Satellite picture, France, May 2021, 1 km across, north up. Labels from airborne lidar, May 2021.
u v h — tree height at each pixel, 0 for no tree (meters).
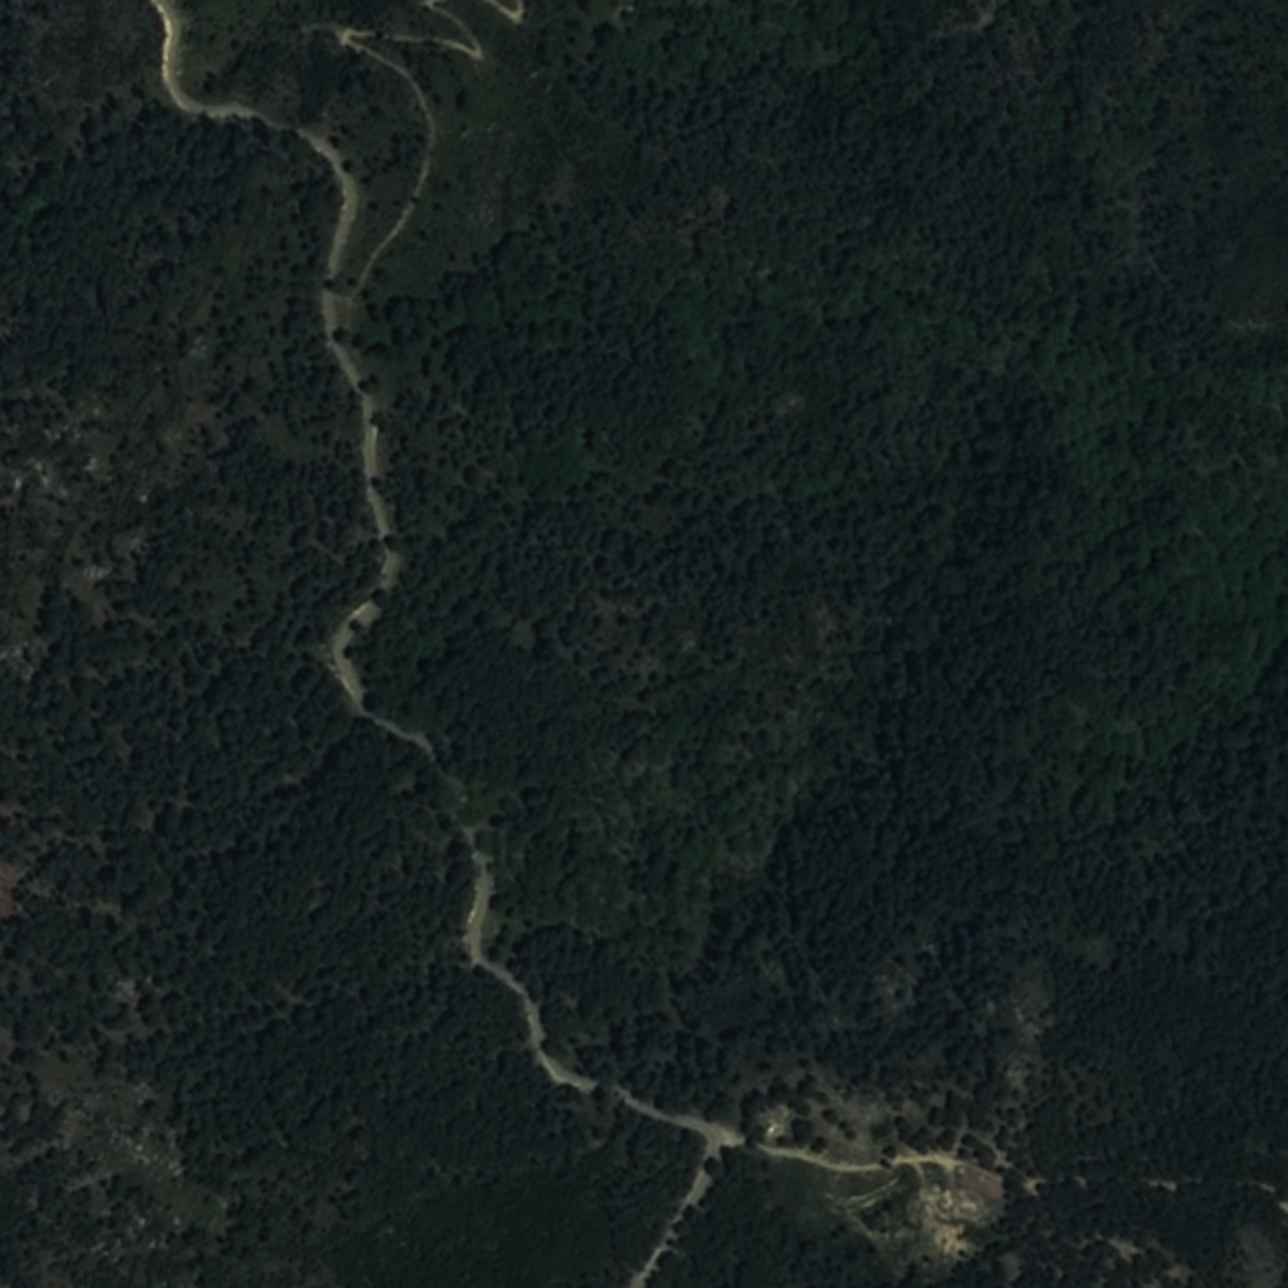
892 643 22
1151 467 15
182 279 29
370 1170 25
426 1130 23
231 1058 30
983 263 20
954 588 22
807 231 26
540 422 27
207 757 22
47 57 7
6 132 34
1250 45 8
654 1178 17
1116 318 18
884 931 18
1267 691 16
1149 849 26
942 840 24
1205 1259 10
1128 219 20
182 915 34
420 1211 24
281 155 29
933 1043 17
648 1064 22
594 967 25
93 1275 7
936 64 23
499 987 20
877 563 8
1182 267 20
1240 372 12
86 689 30
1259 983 17
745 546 23
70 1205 23
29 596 0
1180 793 16
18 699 31
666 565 19
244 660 17
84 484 23
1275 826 17
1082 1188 18
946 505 15
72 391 23
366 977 23
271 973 32
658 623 23
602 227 24
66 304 34
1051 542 23
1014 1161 11
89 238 35
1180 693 17
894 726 28
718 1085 24
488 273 21
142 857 39
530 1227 8
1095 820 26
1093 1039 15
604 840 19
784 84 25
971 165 25
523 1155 20
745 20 15
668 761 21
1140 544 24
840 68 11
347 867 22
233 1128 26
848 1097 5
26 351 30
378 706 29
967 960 19
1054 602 20
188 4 8
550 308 25
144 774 24
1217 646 12
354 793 33
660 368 18
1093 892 17
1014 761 21
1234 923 16
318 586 11
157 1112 24
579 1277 7
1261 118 29
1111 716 21
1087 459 19
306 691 24
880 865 27
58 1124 19
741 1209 23
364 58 21
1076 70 29
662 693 22
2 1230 6
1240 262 8
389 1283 8
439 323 30
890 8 23
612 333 23
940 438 33
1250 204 6
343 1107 23
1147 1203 16
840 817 20
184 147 35
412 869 26
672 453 21
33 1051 27
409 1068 23
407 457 17
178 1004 30
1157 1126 11
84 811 33
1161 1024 12
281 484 25
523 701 26
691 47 25
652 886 29
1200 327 16
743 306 26
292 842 24
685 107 16
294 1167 6
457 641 32
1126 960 20
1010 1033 9
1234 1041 22
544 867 25
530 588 24
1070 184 24
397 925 29
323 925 26
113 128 26
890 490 21
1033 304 10
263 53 6
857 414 19
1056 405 13
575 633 29
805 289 22
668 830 22
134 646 25
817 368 27
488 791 11
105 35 7
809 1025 17
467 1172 19
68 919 32
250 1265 26
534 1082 22
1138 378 15
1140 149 20
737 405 23
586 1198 6
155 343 18
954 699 25
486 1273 9
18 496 25
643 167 23
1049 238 28
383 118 21
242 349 25
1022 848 14
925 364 24
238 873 24
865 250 28
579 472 30
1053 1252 12
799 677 15
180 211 35
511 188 8
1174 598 16
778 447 25
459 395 9
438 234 7
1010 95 23
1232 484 23
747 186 23
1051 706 18
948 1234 0
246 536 15
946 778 30
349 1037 25
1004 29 15
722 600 20
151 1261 9
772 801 21
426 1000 24
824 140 24
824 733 20
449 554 26
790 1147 12
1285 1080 17
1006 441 30
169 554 30
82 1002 28
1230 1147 18
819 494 12
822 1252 15
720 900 29
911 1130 14
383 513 0
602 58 17
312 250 20
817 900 26
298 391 18
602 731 23
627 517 10
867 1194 0
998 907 17
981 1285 13
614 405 21
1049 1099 8
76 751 29
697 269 27
